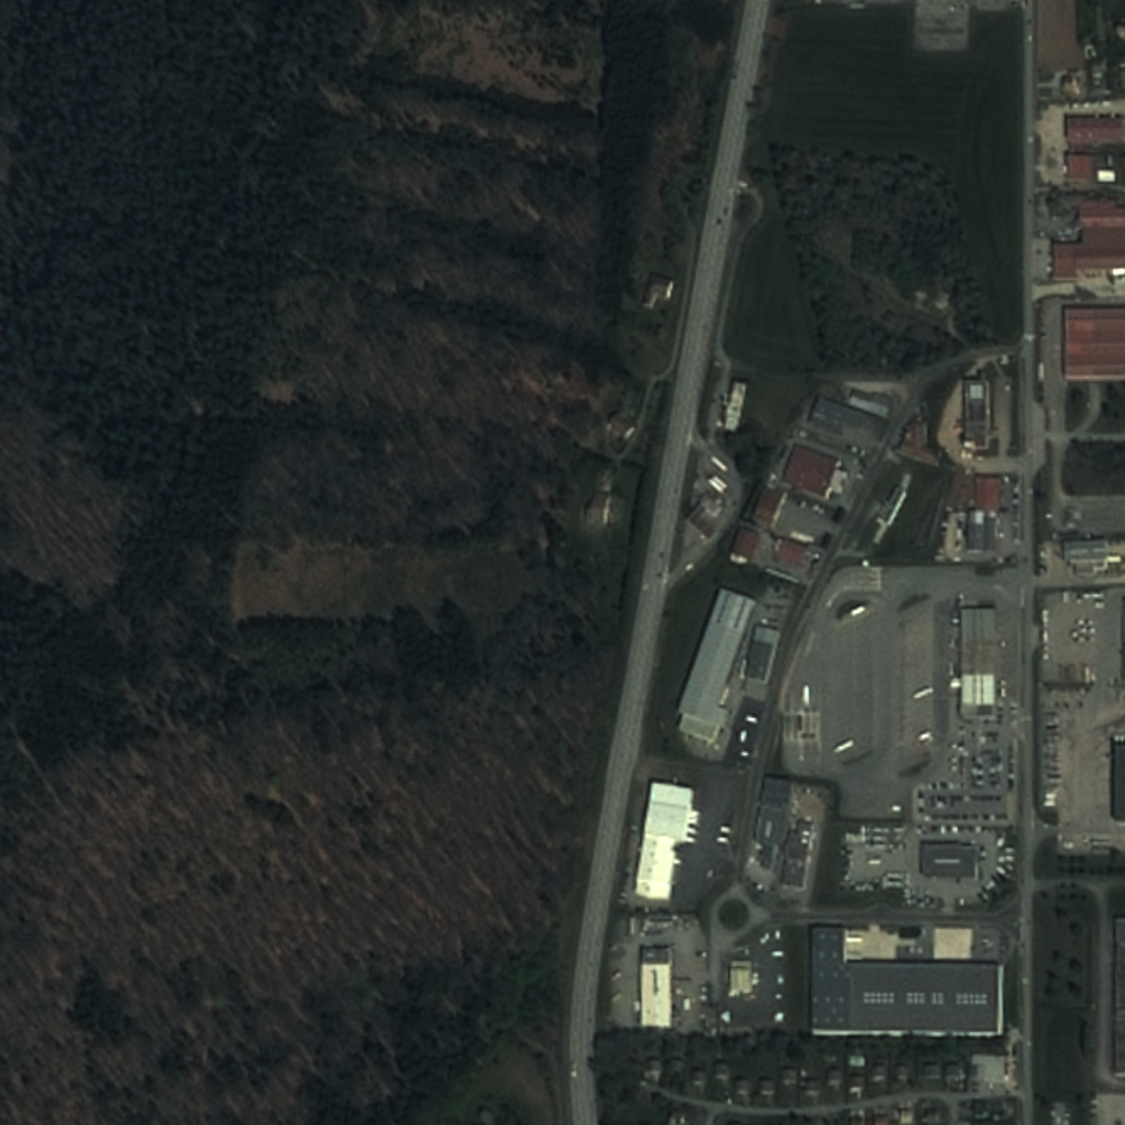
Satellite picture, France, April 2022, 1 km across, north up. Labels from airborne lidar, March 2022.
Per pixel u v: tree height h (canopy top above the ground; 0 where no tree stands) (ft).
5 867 75
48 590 19
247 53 52
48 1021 73
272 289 56
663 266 0
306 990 120
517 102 31
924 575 0
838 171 24
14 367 65
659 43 97
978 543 0
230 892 66
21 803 73
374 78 22
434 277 93
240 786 82
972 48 0
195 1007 107
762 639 0
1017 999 0
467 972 82
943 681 0
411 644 98
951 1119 0
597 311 107
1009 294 0
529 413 111
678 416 0
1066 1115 0
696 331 0
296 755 95
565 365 78
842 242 0
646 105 89
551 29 22
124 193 83
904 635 0
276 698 59
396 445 103
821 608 0
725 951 0
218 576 53
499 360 89
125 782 91
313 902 76
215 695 52
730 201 0
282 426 80
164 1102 95
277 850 61
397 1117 99
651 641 0
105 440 40
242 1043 90
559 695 92
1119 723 0
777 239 0
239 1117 96
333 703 112
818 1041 36
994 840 0
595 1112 0
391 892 109
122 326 56
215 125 43
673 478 0
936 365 29
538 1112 0
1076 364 0
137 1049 81
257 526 76
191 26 26
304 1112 109
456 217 96
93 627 55
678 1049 44
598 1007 0
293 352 80
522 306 108
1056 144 0
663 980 0
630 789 0
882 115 0
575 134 61
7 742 87
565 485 104
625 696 0
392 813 64
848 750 0
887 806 0
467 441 99
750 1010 0
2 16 66
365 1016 110
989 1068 0
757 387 0
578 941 0
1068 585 0
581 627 60
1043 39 0
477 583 0
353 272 74
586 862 0
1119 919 0
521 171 110
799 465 0
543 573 102
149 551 63
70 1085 83
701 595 0
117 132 88
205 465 47
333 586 0
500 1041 43
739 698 0
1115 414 41
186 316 96
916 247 38
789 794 0
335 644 60
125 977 93
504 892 120
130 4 90
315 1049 102
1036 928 0
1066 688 0
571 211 110
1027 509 0
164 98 40
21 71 79
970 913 0
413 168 96
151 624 67
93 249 81
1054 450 0
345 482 99
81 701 44
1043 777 0
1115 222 0
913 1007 0
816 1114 0
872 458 0
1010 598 0
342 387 83
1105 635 0
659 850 0
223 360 86
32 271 27
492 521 96
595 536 0
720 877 0
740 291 0
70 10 98
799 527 0
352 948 117
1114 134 0
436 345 94
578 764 81
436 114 91
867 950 0
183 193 70
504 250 56
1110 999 0
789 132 0
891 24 0
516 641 86
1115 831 0
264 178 81
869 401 0
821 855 0
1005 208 0
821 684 0
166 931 109
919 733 0
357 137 71
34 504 79
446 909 115
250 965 93
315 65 89
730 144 0
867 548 0
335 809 99
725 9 60
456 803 111
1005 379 0
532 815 110
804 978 0
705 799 0
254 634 77
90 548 88
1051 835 0
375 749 101
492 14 98
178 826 77
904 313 0
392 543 59
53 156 90
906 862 0
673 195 70
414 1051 126
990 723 0
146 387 49
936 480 0
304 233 76
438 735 76
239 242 45
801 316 0
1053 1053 0
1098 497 0
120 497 78
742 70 0
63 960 79
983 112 0
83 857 86
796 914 0
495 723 87
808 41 0
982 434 0
